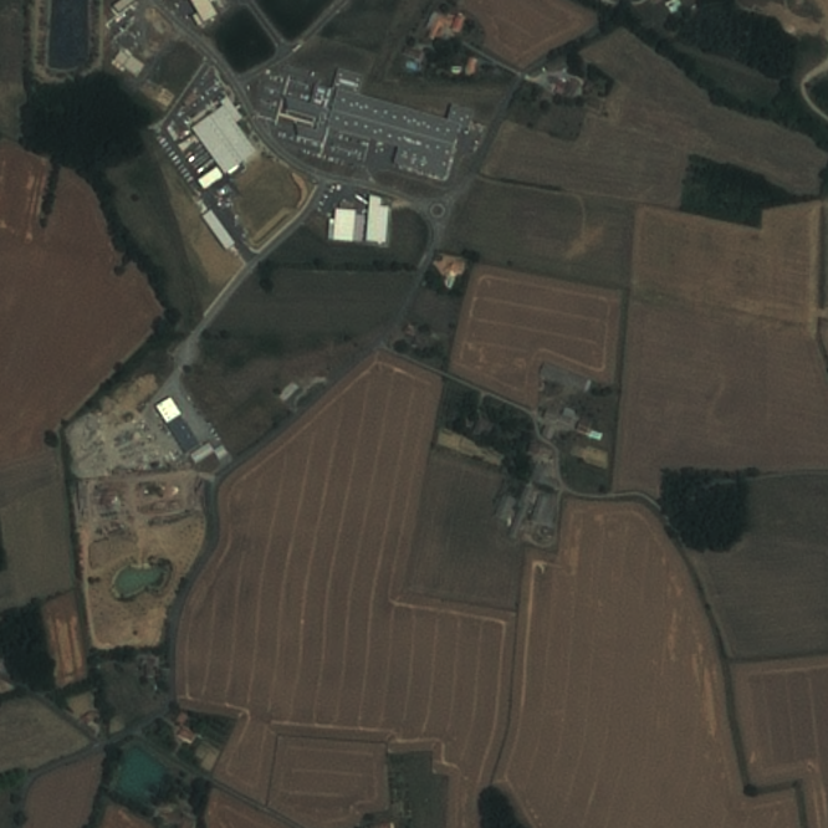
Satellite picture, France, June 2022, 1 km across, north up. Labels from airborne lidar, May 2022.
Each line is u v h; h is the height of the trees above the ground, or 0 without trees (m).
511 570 0
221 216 0
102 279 0
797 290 0
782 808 0
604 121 0
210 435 0
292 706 0
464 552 0
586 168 0
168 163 0
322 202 0
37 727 0
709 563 0
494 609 0
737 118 0
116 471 0
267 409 0
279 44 0
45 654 12
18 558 0
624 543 0
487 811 16
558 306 0
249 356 0
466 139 0
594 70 14
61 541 0
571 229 0
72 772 0
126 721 0
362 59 0
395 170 0
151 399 0
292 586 0
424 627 0
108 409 0
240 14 0
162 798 22
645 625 0
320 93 0
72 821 0
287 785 0
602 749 0
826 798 0
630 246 0
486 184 0
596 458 0
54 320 0
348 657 0
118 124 16
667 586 0
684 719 0
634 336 0
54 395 0
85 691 6
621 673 0
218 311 0
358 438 0
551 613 0
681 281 0
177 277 0
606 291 0
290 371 0
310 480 0
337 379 0
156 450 0
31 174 0
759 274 0
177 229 0
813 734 0
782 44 15
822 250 0
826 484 0
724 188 6
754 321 0
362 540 0
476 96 0
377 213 0
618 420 0
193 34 0
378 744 0
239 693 0
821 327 0
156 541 0
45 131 15
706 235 0
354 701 0
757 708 0
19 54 0
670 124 0
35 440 0
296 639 0
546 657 0
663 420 0
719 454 0
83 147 16
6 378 0
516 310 0
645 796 0
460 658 0
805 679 0
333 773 0
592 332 0
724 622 0
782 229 0
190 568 0
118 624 0
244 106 0
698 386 0
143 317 0
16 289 0
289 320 0
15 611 8
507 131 0
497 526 0
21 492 0
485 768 0
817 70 0
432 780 0
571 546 0
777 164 0
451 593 0
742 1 0
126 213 0
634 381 0
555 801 0
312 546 0
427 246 0
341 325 0
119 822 0
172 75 0
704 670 0
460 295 6
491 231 0
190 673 0
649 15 0
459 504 0
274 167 0
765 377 0
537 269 0
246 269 0
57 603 0
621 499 0
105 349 0
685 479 9
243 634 0
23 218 0
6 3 0
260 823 0
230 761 0
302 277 0
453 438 0
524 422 8
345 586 0
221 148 0
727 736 0
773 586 0
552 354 0
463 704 0
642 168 0
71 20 0
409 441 0
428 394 0
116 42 0
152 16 0
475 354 0
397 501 0
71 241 0
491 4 0
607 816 0
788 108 6
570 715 0
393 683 0
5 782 17
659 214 0
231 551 0
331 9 0
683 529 14
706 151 0
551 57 10
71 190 0
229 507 0
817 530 0
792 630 0
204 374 0
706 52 11
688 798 0
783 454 0
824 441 0
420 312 0
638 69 0
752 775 0
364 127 0
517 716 0
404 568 0
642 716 0
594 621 0
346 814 0
